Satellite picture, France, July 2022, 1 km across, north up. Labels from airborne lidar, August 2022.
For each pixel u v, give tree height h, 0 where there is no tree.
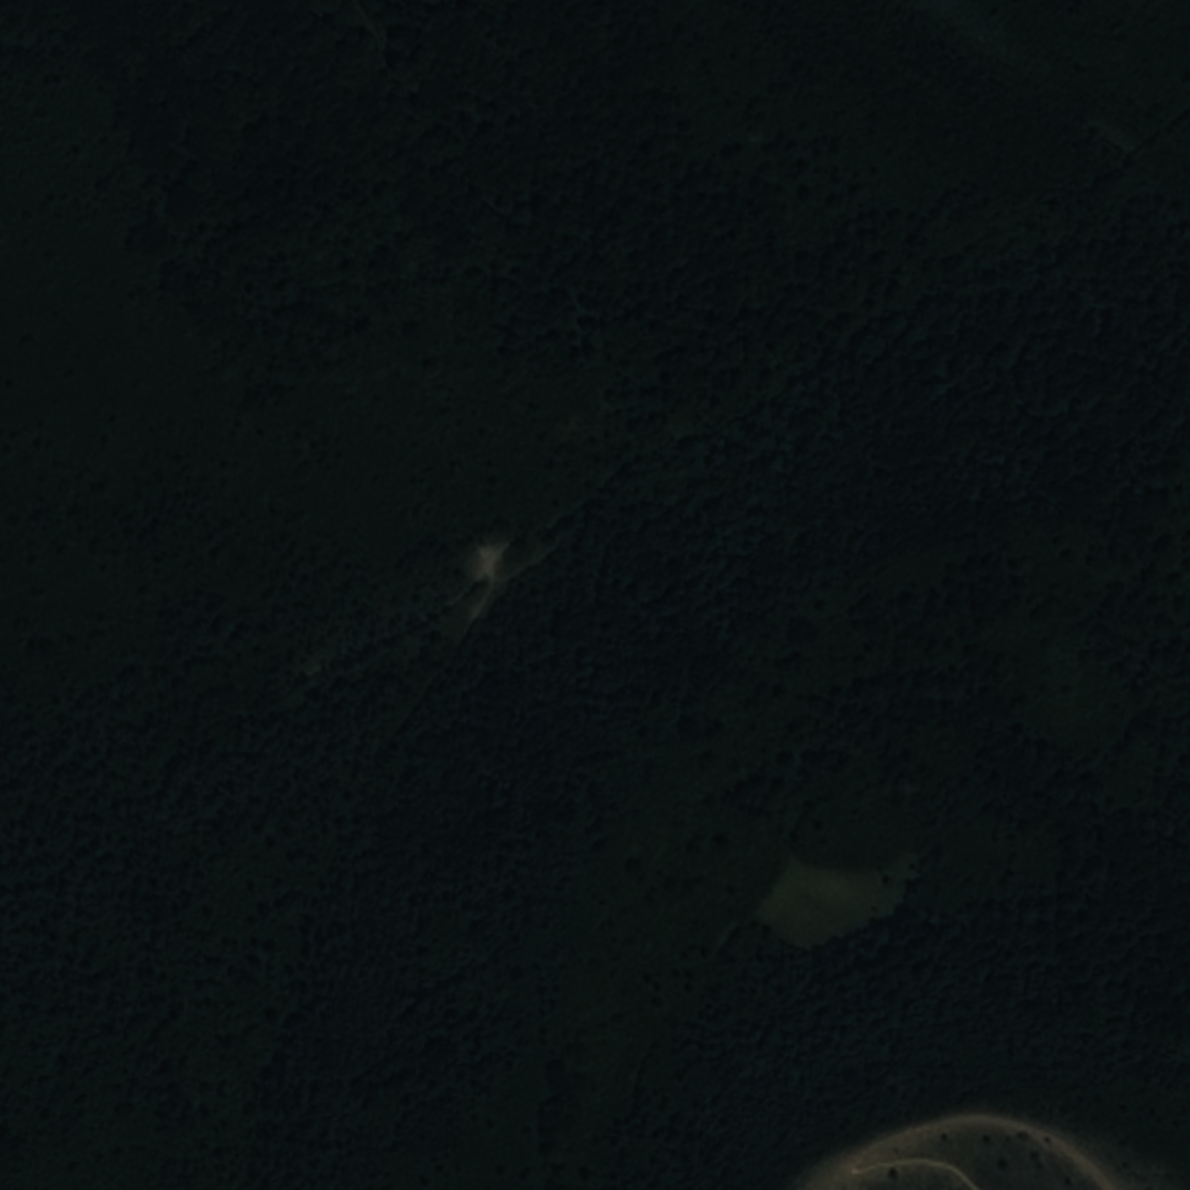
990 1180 0
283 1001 8
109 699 17
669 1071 6
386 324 6
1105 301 20
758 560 22
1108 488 19
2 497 6
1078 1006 13
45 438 8
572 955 6
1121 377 24
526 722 16
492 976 9
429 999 17
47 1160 6
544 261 15
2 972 10
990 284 16
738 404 9
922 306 17
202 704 13
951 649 16
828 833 9
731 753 7
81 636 6
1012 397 21
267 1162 17
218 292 20
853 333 7
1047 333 20
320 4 12
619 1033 7
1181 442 18
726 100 10
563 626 20
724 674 17
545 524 6
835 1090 10
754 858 7
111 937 7
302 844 6
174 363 8
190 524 8
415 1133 14
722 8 9
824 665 7
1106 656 19
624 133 21
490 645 17
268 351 7
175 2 17
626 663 20
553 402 7
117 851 6
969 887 7
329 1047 21
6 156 7
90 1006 18
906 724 9
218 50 19
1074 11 13
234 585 8
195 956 7
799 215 9
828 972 16
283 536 12
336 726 16
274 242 15
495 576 0
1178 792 22
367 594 6
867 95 9
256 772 15
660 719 10
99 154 6
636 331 18
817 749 9
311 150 17
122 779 12
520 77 19
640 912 7
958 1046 7
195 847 8
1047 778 16
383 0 23
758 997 6
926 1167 0
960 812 7
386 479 7
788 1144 9
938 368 15
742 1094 8
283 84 18
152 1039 17
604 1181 8
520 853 9
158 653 7
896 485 21
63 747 18
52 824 13
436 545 13
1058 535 9
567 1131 11
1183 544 10
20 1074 9
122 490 6
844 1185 0
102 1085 8
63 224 6
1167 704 7
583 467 6
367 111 18
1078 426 17
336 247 6
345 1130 11
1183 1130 6
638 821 6
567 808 12
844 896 0
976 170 12
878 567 11
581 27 24
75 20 16
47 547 6
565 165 19
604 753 12
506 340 14
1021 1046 9
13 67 16
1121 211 8
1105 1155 0
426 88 17
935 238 10
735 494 15
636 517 18
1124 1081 8
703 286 19
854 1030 12
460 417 6
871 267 19
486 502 7
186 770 18
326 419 6
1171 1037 10
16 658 7
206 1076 6
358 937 20
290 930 11
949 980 11
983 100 9
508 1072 7
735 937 8
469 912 13
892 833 7
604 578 18
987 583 13
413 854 20
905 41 9
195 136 21
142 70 22
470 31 19
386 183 17
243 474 6
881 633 17
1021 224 13
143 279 8
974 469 17
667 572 20
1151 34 6
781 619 9
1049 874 7
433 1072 15
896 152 8
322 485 6
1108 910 18
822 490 21
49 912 7
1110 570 8
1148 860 23
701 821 6
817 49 11
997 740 20
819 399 16
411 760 16
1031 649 6
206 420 8
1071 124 9
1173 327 20
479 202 17
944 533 16
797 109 7
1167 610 11
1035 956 9
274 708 6
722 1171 9
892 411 22
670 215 18
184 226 10
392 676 13
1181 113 7
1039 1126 0
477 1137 6
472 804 20
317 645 10
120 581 6
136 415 6
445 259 15
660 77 14
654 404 10
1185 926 17
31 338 8
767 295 17
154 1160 8
